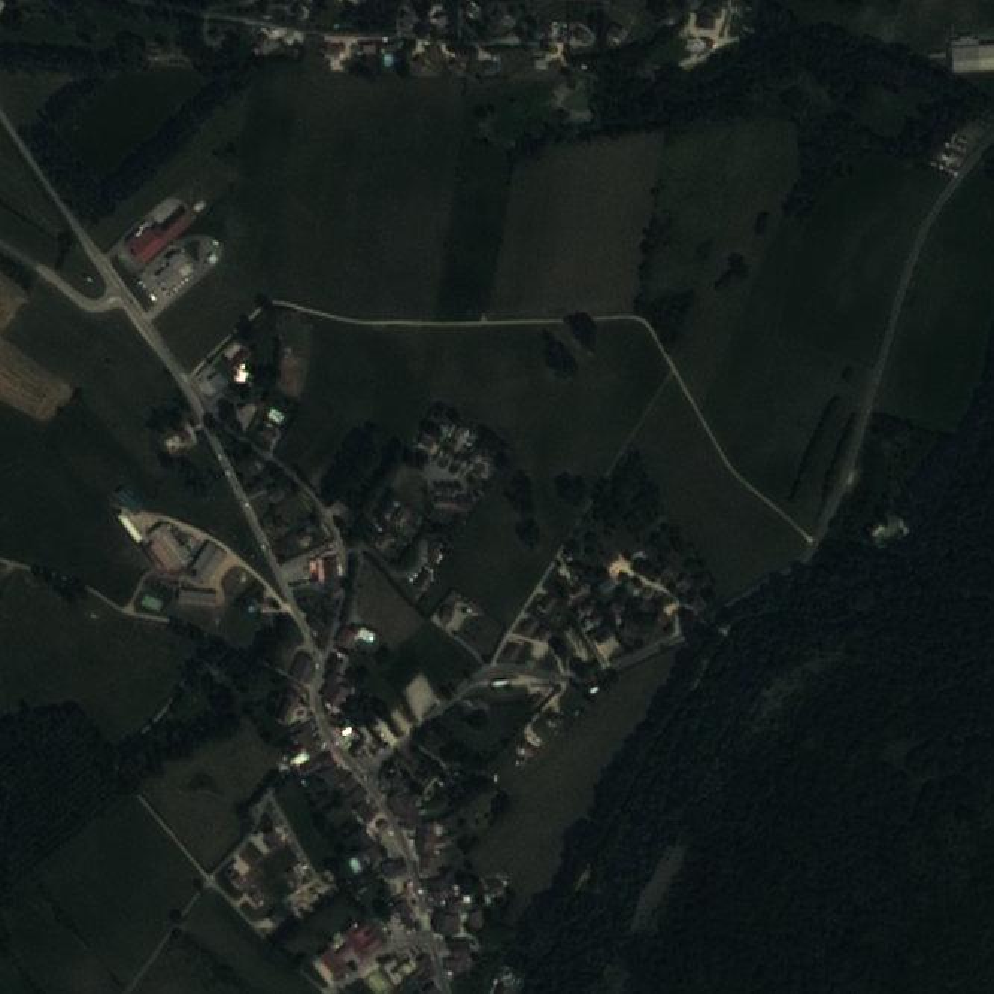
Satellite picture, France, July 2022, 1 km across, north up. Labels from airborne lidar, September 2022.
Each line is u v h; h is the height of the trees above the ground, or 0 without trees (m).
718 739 7
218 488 0
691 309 9
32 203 0
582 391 0
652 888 0
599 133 7
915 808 7
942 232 0
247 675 25
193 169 0
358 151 0
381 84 0
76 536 0
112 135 0
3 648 0
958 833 19
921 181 0
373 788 0
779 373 0
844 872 19
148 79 0
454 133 0
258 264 0
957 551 19
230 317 0
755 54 17
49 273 0
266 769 0
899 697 14
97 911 0
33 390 0
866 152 6
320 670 0
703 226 0
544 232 0
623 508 11
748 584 0
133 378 0
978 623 16
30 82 0
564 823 0
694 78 6
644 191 0
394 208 0
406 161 0
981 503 20
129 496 0
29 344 0
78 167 26
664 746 14
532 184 0
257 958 0
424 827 0
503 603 0
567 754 0
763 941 11
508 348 0
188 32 20
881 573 25
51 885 0
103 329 0
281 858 0
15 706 0
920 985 11
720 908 12
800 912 14
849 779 9
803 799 15
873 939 17
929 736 11
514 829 0
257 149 0
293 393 0
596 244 0
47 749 6
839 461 6
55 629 0
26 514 0
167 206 0
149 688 0
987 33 0
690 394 0
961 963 12
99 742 22
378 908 14
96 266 0
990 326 0
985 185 0
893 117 0
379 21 10
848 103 19
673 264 0
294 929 17
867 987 17
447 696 13
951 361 0
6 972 0
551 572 0
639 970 11
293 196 0
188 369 0
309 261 0
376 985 0
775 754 9
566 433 0
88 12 24
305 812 0
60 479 0
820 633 14
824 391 0
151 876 0
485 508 0
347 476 21
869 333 0
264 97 0
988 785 17
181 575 0
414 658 0
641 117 19
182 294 0
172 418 17
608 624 9
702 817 9
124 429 0
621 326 0
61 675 0
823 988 16
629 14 0
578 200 0
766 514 0
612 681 15
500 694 0
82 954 0
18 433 0
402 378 0
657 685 0
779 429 0
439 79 0
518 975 20
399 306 0
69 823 26
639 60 8
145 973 0
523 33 16
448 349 0
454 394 0
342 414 0
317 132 0
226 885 0
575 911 14
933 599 14
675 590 10
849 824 18
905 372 0
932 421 0
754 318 0
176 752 17
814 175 21
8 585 0
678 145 0
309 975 0
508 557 0
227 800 0
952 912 13
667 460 0
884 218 0
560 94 0
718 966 16
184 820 0
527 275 0
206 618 0
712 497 0
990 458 17
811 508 0
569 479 16
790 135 0
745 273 19
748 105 14
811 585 26
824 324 0
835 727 14
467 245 0
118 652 0
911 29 0
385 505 12
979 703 15
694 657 20
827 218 0
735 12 0
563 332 0
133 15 20
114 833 0
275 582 0
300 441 0
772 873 14
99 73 17
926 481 0
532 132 0
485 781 13
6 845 6
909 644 14
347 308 0
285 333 0
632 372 0
